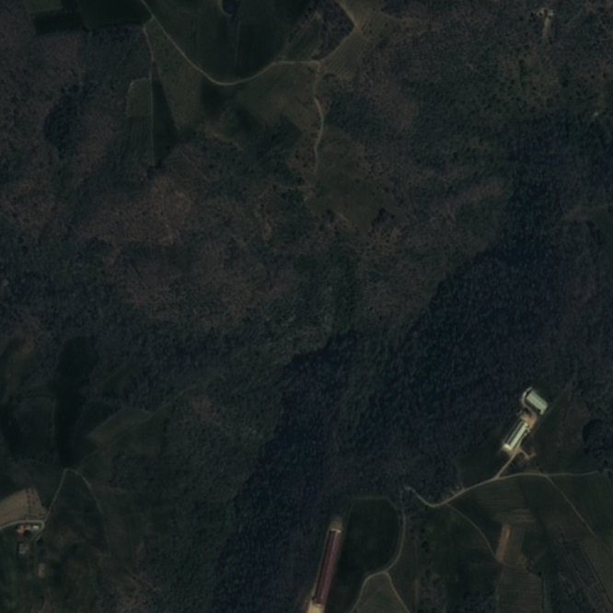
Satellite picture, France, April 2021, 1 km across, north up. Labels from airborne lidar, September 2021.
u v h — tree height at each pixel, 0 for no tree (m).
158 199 10
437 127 6
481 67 10
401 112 7
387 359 6
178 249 10
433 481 16
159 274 9
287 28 0
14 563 0
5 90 11
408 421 7
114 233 8
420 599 0
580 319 18
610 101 10
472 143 9
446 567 0
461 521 0
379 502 0
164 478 11
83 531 0
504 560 0
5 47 9
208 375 10
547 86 11
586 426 0
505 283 9
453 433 8
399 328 10
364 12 0
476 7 6
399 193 14
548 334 11
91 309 9
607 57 6
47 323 18
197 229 9
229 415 6
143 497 0
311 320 7
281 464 6
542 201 11
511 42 8
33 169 10
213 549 6
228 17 0
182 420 18
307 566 10
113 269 15
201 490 8
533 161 10
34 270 20
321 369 10
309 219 10
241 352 9
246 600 7
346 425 7
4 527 0
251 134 0
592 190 18
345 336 7
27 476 0
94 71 12
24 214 8
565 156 8
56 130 21
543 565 0
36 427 0
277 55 0
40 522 0
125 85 7
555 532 0
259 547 9
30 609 0
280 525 7
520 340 18
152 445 0
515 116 15
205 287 7
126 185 5
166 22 0
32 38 7
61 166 8
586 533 0
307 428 6
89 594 0
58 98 13
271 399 10
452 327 9
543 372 6
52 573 0
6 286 13
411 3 9
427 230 8
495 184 9
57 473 0
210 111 0
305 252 14
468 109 13
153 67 12
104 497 0
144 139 0
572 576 0
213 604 7
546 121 24
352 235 10
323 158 0
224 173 10
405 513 8
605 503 0
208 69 0
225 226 11
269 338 7
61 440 0
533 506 0
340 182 0
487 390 10
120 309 20
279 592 8
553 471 0
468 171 9
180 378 17
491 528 0
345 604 0
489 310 10
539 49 6
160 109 0
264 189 14
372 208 0
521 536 0
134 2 0
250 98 0
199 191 11
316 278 12
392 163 8
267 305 11
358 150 0
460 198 9
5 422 0
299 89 0
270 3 0
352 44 0
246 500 9
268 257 10
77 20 0
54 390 0
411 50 7
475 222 7
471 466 0
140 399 11
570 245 12
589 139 11
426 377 7
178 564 11
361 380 9
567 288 16
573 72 11
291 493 6
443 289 9
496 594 8
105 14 0
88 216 9
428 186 8
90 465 0
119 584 0
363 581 0
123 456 8
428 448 9
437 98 8
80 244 9
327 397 14
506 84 12
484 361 8
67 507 0
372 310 10
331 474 6
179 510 7
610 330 19
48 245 6
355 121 15
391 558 0
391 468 7
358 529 0
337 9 9
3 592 0
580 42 10
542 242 9
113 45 13
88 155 14
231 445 15
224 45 0
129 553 0
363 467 9
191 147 12
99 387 13
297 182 8
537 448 0
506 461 0
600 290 24
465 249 10
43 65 11
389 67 9
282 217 11
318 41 0
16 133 15
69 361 0
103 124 12
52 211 7
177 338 19
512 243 13
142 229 10
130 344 11
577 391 10
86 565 0
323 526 6
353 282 6
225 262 12
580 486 0
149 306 6
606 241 15
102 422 11
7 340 0
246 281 8
